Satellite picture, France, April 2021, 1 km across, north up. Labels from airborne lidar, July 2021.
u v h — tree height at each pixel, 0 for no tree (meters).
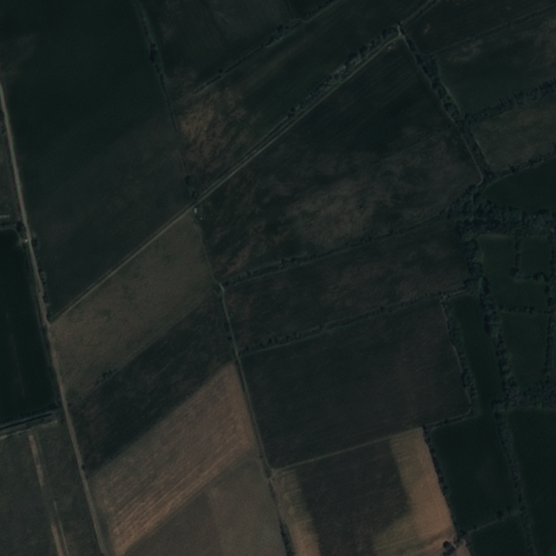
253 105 0
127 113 0
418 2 0
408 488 0
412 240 0
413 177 0
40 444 0
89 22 0
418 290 0
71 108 0
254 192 0
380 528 0
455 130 0
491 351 0
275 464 0
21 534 0
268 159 0
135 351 0
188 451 0
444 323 0
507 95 0
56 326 0
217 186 0
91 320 0
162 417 0
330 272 0
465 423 0
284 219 0
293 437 0
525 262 0
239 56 0
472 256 23
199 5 0
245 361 0
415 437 0
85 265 0
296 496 0
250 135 0
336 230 0
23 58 0
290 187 0
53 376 6
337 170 0
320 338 0
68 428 0
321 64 0
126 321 0
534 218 10
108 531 0
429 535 0
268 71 0
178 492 0
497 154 0
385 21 0
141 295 0
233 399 0
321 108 0
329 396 0
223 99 0
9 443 0
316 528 0
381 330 0
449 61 0
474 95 0
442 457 0
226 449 0
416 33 0
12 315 0
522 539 0
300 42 0
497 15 0
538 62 0
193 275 0
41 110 0
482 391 0
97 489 0
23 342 0
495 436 0
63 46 0
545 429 0
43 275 12
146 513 0
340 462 0
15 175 0
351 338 0
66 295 0
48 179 0
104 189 0
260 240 0
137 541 0
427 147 0
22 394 0
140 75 0
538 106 0
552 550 0
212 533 0
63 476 0
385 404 0
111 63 0
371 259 0
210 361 0
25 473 0
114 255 0
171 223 0
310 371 0
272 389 0
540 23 0
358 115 0
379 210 0
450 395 0
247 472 0
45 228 0
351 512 0
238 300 0
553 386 13
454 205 8
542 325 0
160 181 0
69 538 0
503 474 0
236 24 0
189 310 0
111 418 0
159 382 0
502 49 0
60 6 0
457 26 0
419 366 0
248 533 0
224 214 0
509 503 0
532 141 0
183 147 0
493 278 0
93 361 0
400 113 0
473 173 0
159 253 0
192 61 0
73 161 0
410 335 0
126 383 0
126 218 0
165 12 0
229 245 0
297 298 0
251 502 0
